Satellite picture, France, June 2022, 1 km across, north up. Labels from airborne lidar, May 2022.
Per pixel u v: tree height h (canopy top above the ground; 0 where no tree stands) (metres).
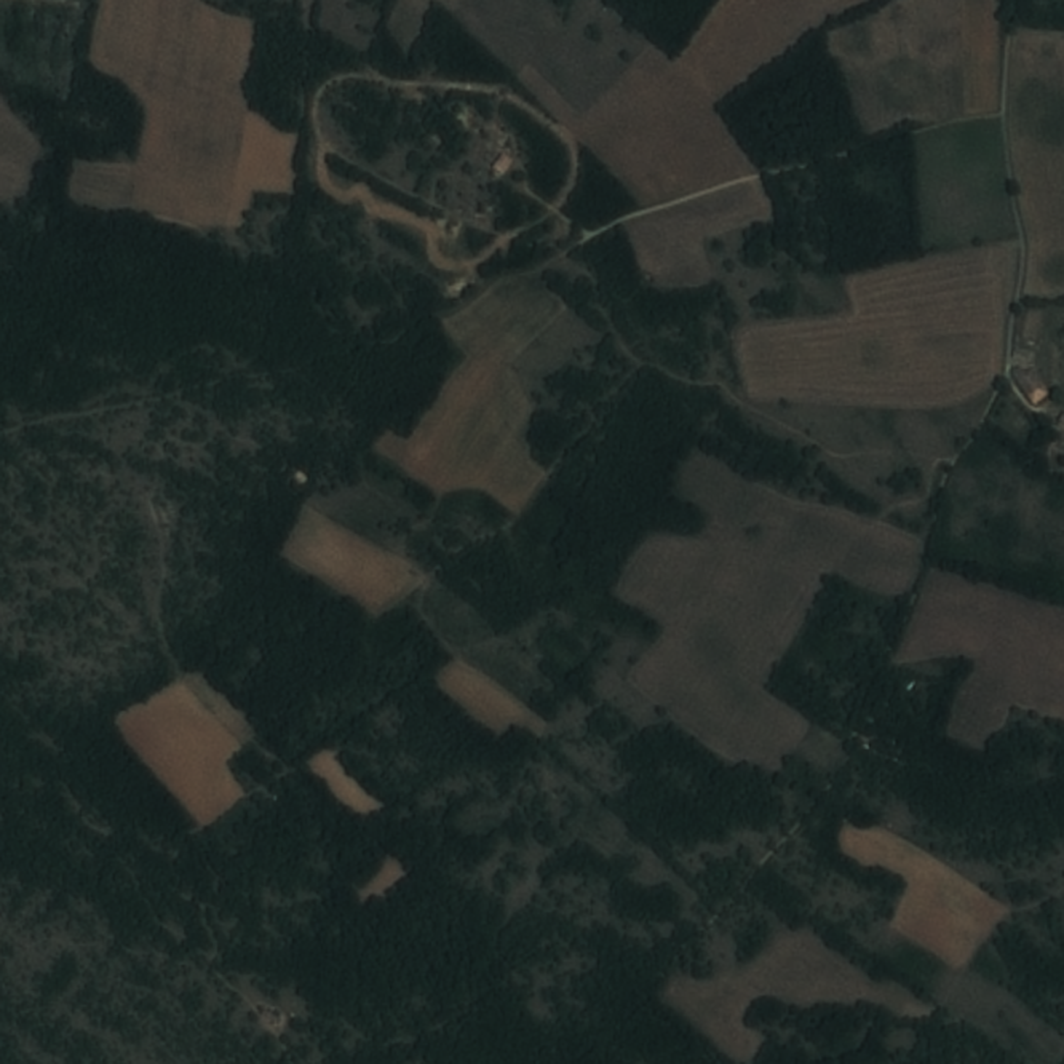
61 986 6
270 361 6
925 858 0
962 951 0
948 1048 8
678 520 10
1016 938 6
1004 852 7
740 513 0
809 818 9
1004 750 7
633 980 6
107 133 7
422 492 11
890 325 0
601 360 8
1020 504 0
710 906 6
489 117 8
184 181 0
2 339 11
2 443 5
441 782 6
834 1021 12
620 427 9
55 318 8
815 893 6
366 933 12
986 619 0
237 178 0
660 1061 7
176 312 8
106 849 10
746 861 6
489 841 9
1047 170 0
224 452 8
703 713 0
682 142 0
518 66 0
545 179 7
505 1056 9
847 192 13
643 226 0
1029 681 0
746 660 0
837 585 10
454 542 8
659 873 0
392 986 10
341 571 0
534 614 6
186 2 0
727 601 0
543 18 0
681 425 6
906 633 7
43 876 7
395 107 6
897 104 0
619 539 11
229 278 13
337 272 8
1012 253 0
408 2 0
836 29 8
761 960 0
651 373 8
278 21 9
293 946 11
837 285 0
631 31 10
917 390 0
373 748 11
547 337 0
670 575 0
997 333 0
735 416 8
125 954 6
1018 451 7
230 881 11
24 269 10
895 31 0
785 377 0
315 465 9
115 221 15
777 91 11
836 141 9
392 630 6
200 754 0
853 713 8
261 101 7
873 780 8
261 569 10
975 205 0
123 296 9
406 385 10
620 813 12
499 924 8
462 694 0
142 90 0
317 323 11
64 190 15
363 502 0
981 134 0
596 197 10
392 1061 10
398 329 10
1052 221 0
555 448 11
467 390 0
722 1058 9
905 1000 0
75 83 10
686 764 10
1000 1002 0
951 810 10
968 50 0
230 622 6
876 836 0
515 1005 9
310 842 8
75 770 12
